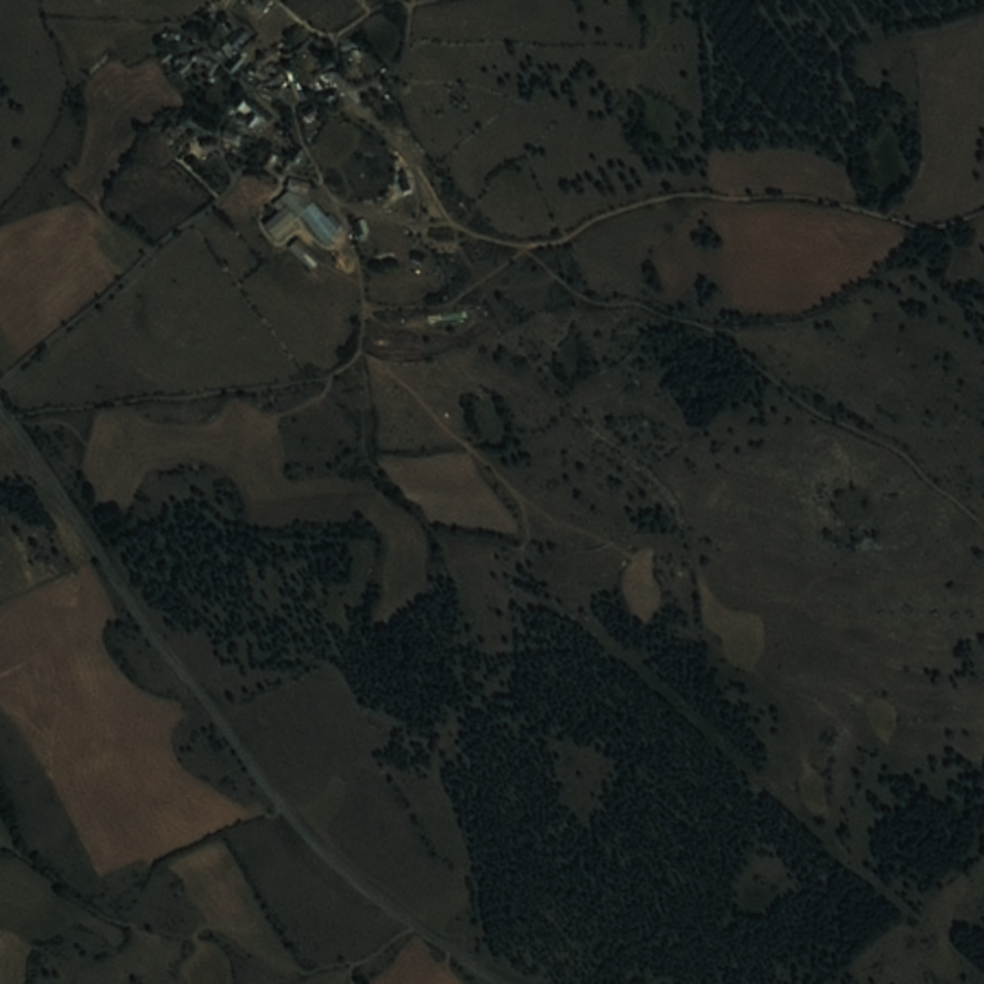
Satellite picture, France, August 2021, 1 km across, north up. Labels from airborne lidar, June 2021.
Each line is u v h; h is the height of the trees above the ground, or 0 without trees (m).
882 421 0
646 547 0
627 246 0
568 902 10
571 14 0
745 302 0
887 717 0
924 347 0
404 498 10
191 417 0
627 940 13
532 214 0
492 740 12
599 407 0
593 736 10
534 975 11
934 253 14
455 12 0
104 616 0
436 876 0
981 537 0
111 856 0
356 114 0
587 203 0
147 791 0
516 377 0
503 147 0
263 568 12
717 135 14
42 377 0
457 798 12
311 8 0
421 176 0
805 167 0
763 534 0
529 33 0
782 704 0
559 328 0
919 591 0
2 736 0
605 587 0
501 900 13
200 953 0
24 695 0
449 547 0
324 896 0
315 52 12
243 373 0
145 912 0
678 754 16
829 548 0
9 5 0
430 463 0
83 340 0
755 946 13
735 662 0
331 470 9
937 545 0
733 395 12
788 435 0
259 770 0
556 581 0
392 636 15
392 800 0
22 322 0
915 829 13
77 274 0
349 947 0
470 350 0
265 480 0
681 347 13
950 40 0
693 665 13
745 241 0
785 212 0
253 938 0
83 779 0
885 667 0
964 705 0
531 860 13
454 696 12
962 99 0
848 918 18
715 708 11
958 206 0
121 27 0
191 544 13
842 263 0
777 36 13
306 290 0
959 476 0
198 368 0
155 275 0
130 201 0
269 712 0
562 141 0
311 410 0
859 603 0
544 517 0
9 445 0
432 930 0
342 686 0
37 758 0
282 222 0
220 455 0
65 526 0
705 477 0
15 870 0
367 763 0
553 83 8
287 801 0
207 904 0
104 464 0
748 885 0
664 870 17
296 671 10
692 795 14
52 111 0
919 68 0
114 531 19
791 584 0
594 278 0
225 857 0
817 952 12
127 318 0
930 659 0
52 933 0
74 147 0
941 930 0
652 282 9
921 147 9
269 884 0
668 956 13
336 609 0
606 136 0
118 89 0
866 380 0
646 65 0
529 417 0
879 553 0
